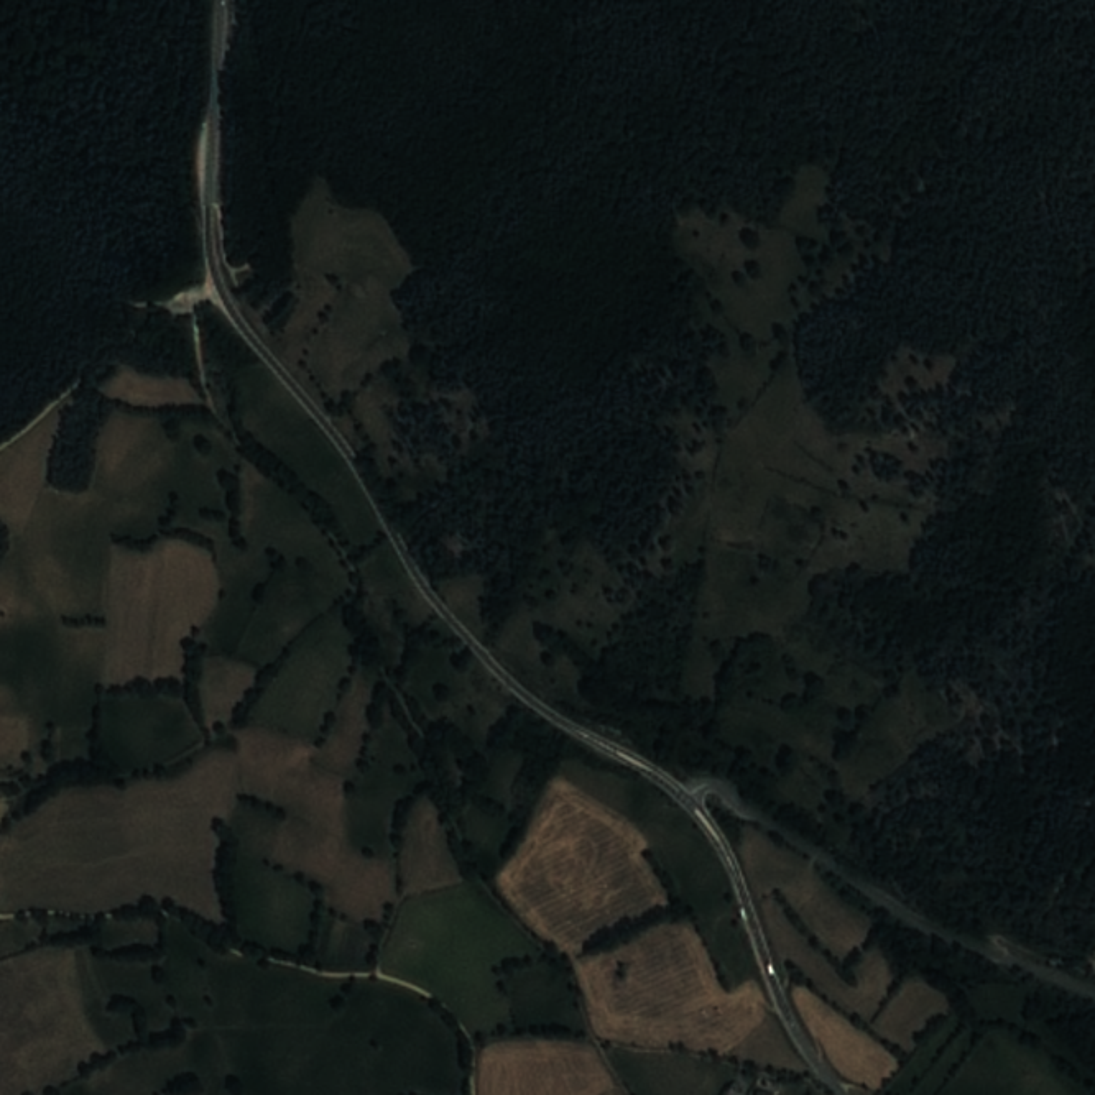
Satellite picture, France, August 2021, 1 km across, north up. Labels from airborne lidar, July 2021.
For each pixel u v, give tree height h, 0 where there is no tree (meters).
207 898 0
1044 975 0
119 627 0
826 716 0
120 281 16
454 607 0
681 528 0
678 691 13
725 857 0
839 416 9
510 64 16
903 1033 0
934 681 17
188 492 0
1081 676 15
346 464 0
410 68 13
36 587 0
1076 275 12
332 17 18
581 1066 0
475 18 12
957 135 14
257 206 10
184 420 13
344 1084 0
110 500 0
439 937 0
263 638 0
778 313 0
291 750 0
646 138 16
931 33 17
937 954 11
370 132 19
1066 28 13
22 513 0
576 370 16
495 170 18
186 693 11
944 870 12
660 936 0
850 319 20
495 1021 0
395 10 13
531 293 21
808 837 12
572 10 9
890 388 0
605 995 0
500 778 0
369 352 0
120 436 0
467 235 20
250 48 6
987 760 6
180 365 11
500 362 17
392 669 7
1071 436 16
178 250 23
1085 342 17
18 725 0
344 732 0
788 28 16
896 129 13
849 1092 0
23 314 16
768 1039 0
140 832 0
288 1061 0
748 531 0
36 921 12
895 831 10
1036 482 6
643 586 6
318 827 0
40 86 28
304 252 0
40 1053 0
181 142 10
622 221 17
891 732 0
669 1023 0
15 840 0
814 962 0
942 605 13
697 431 10
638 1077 0
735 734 0
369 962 10
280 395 0
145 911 12
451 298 16
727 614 0
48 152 18
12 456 0
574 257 15
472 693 0
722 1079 0
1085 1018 15
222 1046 0
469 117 17
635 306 15
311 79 12
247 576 0
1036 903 15
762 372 0
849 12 17
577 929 0
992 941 0
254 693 7
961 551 18
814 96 17
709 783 0
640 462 14
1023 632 14
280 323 9
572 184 13
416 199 18
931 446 0
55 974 0
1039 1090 0
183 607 0
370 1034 0
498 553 10
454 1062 0
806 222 0
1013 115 17
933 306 12
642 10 15
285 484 12
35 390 14
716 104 16
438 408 14
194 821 0
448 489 11
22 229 12
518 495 9
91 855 0
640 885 0
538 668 0
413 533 8
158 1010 0
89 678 0
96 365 10
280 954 11
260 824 0
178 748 0
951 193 19
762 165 13
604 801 0
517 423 18
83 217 19
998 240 16
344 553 9
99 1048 0
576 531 10
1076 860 11
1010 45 11
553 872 0
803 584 0
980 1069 0
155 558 0
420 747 16
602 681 14
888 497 0
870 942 10
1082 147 11
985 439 11
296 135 15
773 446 0
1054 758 13
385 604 0
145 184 16
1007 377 19
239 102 16
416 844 0
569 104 16
